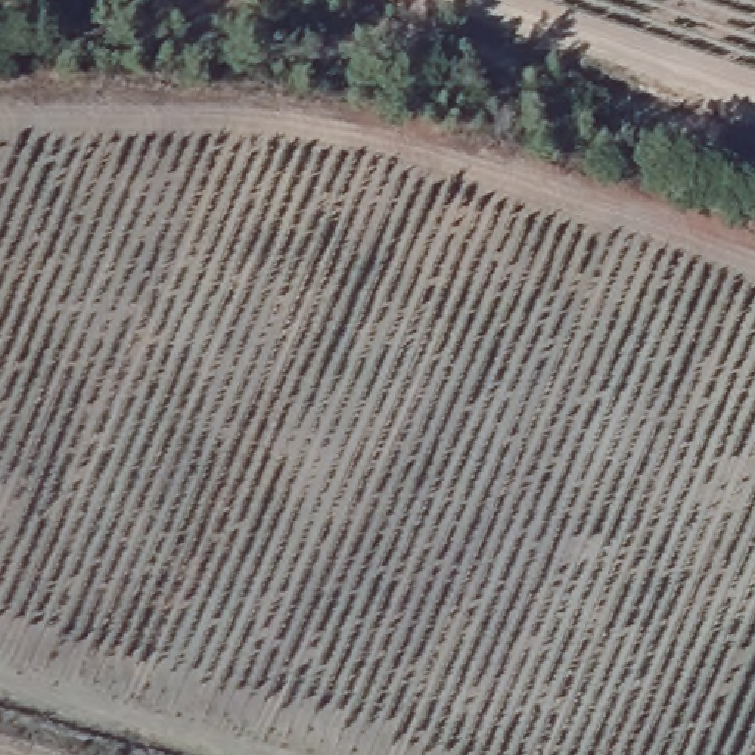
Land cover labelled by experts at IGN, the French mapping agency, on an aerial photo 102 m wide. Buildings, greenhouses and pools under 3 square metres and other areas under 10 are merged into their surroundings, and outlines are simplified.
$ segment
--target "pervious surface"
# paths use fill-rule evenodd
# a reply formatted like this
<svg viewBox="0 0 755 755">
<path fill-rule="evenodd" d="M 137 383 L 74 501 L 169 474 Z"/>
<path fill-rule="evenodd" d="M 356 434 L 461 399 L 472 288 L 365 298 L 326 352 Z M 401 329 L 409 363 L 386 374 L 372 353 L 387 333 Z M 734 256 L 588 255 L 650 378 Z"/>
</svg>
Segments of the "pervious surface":
<svg viewBox="0 0 755 755">
<path fill-rule="evenodd" d="M 693 103 L 699 112 L 708 112 L 711 100 L 746 97 L 755 103 L 755 68 L 726 62 L 723 56 L 681 47 L 675 41 L 664 41 L 584 12 L 575 15 L 575 21 L 569 21 L 563 18 L 563 6 L 552 0 L 472 0 L 484 15 L 498 15 L 504 21 L 516 18 L 519 35 L 525 38 L 534 32 L 546 47 L 557 41 L 563 50 L 578 47 L 584 53 L 584 65 L 599 65 L 613 80 L 622 80 L 631 88 L 646 91 L 664 103 Z"/>
</svg>

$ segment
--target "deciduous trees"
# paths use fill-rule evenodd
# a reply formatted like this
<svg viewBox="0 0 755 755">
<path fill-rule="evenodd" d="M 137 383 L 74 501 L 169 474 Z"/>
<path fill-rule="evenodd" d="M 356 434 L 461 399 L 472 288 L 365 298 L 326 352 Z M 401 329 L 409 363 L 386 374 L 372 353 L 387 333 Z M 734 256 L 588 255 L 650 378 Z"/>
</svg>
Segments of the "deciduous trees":
<svg viewBox="0 0 755 755">
<path fill-rule="evenodd" d="M 142 71 L 171 71 L 177 88 L 189 88 L 195 83 L 209 80 L 242 83 L 265 77 L 274 80 L 271 94 L 286 94 L 295 100 L 324 100 L 330 118 L 345 124 L 395 127 L 416 115 L 431 115 L 434 121 L 448 118 L 457 121 L 454 150 L 495 150 L 504 159 L 543 159 L 546 165 L 554 165 L 563 174 L 575 174 L 581 180 L 628 183 L 640 198 L 664 198 L 669 206 L 696 209 L 699 215 L 726 215 L 731 227 L 743 227 L 749 236 L 755 236 L 755 168 L 749 162 L 726 162 L 720 150 L 693 150 L 690 139 L 669 142 L 661 127 L 593 127 L 593 112 L 602 103 L 608 103 L 605 88 L 613 80 L 599 65 L 584 65 L 584 53 L 578 47 L 563 50 L 557 41 L 546 47 L 534 32 L 525 38 L 519 35 L 516 18 L 504 21 L 498 15 L 484 15 L 472 0 L 0 0 L 0 83 L 32 74 L 38 68 L 80 68 L 109 77 L 142 77 Z"/>
</svg>

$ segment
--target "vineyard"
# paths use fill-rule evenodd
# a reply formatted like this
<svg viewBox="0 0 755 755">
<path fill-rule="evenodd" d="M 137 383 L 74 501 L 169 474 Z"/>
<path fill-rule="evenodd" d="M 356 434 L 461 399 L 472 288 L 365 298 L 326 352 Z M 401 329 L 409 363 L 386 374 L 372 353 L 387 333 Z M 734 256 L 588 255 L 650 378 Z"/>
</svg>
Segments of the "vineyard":
<svg viewBox="0 0 755 755">
<path fill-rule="evenodd" d="M 628 183 L 581 180 L 575 174 L 563 174 L 554 165 L 546 165 L 543 159 L 504 159 L 495 150 L 454 150 L 457 121 L 448 118 L 434 121 L 431 115 L 416 115 L 395 127 L 345 124 L 330 118 L 324 100 L 295 100 L 286 94 L 271 94 L 274 80 L 265 77 L 242 83 L 209 80 L 195 83 L 189 88 L 177 88 L 171 71 L 142 71 L 142 77 L 109 77 L 80 68 L 38 68 L 32 74 L 0 83 L 0 755 L 755 755 L 755 236 L 749 236 L 743 227 L 731 227 L 726 215 L 699 215 L 696 209 L 669 206 L 664 198 L 640 198 Z"/>
<path fill-rule="evenodd" d="M 563 6 L 563 18 L 569 21 L 575 21 L 575 15 L 584 12 L 664 41 L 675 41 L 681 47 L 723 56 L 726 62 L 755 68 L 755 0 L 552 0 Z"/>
</svg>

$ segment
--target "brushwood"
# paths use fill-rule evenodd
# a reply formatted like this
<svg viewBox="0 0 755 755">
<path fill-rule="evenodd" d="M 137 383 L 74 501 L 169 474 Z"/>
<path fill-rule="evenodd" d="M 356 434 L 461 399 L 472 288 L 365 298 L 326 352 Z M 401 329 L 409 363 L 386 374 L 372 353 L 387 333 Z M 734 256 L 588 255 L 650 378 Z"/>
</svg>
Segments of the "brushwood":
<svg viewBox="0 0 755 755">
<path fill-rule="evenodd" d="M 711 100 L 708 112 L 699 112 L 693 103 L 664 103 L 646 91 L 631 88 L 622 80 L 613 80 L 605 88 L 608 103 L 602 103 L 593 112 L 593 127 L 661 127 L 669 142 L 690 139 L 693 150 L 720 150 L 726 162 L 749 162 L 755 168 L 755 103 L 746 97 Z"/>
</svg>

